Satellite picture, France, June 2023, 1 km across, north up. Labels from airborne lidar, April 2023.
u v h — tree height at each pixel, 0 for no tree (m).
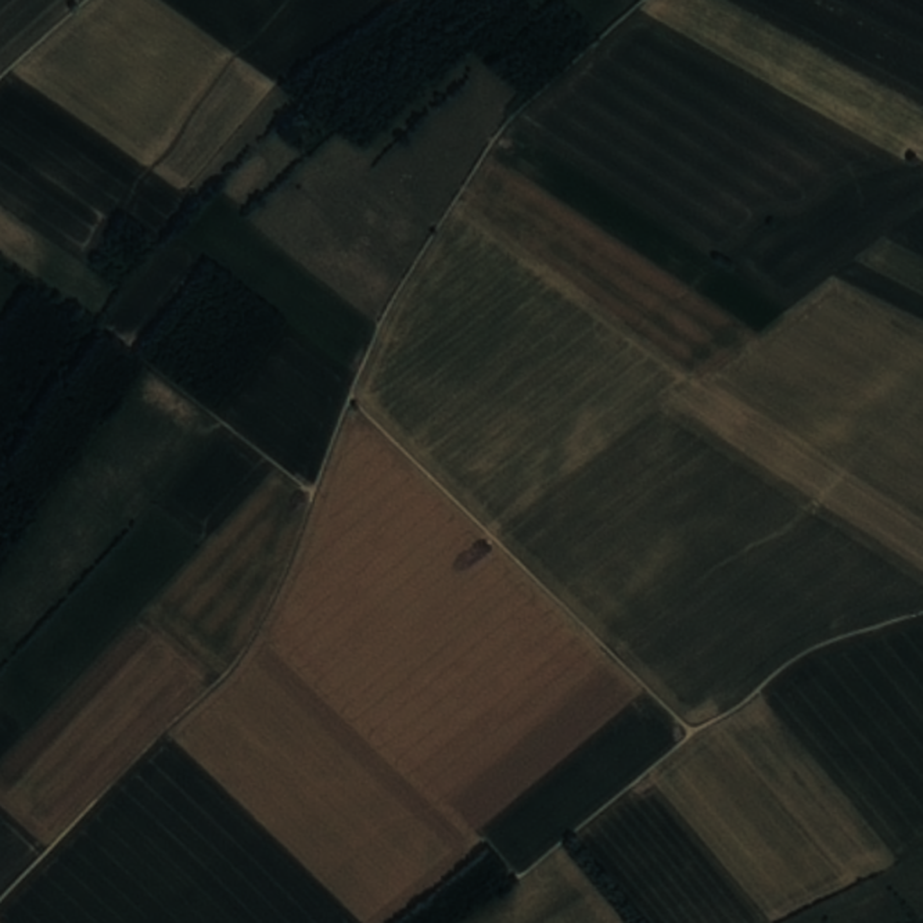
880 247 0
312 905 0
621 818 0
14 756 0
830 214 0
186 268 0
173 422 0
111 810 0
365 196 0
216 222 0
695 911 0
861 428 0
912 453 0
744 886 0
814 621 0
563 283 0
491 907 0
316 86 20
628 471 0
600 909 0
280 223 0
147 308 0
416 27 18
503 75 13
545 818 0
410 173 0
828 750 0
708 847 0
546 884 0
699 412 0
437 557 0
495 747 0
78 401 15
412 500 0
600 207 0
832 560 0
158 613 0
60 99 0
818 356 0
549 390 0
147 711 0
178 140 0
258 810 0
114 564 0
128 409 0
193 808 0
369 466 0
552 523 0
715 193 0
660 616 0
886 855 0
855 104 0
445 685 0
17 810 0
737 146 0
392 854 0
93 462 0
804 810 0
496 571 0
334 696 0
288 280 0
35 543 0
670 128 0
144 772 0
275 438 0
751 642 0
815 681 0
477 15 18
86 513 0
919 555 0
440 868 0
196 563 0
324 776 0
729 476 0
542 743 0
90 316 13
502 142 0
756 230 0
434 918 8
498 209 0
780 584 0
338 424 0
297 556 0
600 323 0
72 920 0
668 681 0
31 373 16
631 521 0
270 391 0
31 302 14
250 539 0
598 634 0
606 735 0
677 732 0
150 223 0
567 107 0
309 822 0
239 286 13
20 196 0
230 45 0
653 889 0
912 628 0
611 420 0
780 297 0
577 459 0
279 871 0
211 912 0
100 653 0
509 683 0
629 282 0
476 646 0
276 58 0
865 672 0
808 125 0
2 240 0
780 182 0
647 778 0
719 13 0
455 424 0
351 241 0
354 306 0
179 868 0
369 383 0
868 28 0
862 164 0
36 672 0
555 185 0
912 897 0
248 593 0
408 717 0
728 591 0
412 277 0
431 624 0
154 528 0
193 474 0
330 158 0
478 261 0
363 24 13
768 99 0
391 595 0
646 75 0
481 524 0
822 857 0
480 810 0
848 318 0
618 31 0
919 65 0
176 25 0
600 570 0
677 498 0
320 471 0
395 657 0
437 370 0
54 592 0
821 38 0
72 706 0
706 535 0
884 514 0
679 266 0
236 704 0
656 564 0
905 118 0
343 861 0
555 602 0
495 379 0
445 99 11
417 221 0
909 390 0
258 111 0
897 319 0
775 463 0
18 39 0
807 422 0
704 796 0
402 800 0
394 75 21
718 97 0
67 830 0
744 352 0
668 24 0
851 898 0
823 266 0
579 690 0
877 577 0
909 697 0
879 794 0
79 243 0
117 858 0
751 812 0
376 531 0
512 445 0
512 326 0
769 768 0
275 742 0
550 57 8
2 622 0
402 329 0
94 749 0
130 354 13
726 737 0
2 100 0
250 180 0
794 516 0
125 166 0
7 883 0
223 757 0
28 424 20
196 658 0
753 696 0
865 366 0
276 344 0
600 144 0
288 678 0
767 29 0
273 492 0
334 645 0
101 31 0
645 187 0
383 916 0
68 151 0
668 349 0
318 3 0
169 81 0
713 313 0
